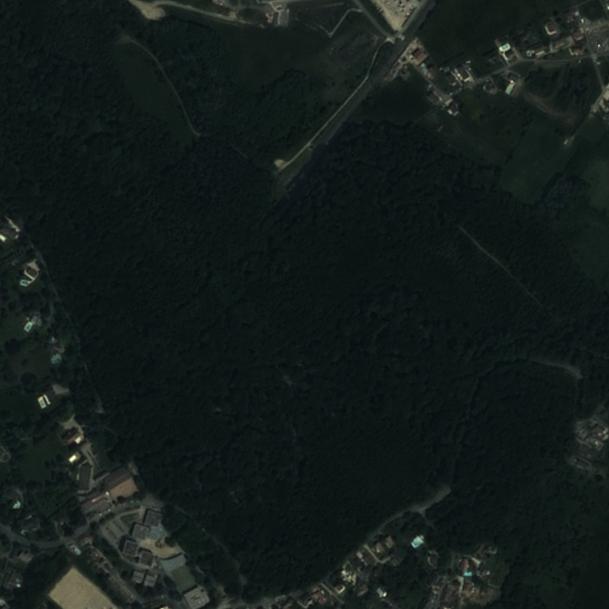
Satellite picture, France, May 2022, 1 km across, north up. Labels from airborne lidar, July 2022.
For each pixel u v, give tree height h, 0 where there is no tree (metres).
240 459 30
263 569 29
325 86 6
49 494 6
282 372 28
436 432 30
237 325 31
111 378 17
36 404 0
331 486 14
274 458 31
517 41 13
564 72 0
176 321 21
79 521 20
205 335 30
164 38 16
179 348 18
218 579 25
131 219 27
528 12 0
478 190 29
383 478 8
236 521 18
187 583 0
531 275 13
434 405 29
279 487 31
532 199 0
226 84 26
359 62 0
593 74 0
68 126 29
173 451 11
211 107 33
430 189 29
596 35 0
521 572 11
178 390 12
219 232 18
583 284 7
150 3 0
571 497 10
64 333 23
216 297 19
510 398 28
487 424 29
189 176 24
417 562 18
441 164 29
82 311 17
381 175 27
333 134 0
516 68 0
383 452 9
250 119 17
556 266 11
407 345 31
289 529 19
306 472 22
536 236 13
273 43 0
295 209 28
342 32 0
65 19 11
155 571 0
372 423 10
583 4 0
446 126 0
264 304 16
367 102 10
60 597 0
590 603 0
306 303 19
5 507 18
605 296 12
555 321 9
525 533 24
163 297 12
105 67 13
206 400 11
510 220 6
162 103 0
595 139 0
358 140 30
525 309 9
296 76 14
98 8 11
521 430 31
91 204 24
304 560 30
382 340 33
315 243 15
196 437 14
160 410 27
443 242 8
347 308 22
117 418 24
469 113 0
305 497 20
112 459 26
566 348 9
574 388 10
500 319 10
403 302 34
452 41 0
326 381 29
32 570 24
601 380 23
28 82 32
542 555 20
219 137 22
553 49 0
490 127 0
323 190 15
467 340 11
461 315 9
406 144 28
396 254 6
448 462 26
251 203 20
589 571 0
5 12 32
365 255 15
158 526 0
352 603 0
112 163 29
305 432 30
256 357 28
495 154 0
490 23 0
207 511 30
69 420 0
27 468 0
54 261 27
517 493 20
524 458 27
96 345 28
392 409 27
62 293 16
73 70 29
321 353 26
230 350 29
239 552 32
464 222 8
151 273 13
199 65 23
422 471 7
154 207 25
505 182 0
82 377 21
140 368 14
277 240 12
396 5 0
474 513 29
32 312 14
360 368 33
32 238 21
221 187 28
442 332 31
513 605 21
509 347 27
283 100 17
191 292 12
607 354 11
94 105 37
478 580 16
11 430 20
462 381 31
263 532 26
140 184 18
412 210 29
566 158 0
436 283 6
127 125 11
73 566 0
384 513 10
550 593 0
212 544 23
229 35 0
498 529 22
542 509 27
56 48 9
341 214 30
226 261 12
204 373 30
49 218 30
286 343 25
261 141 16
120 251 25
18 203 30
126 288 31
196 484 27
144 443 29
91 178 28
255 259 30
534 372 9
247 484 29
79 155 24
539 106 0
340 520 20
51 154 15
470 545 21
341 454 9
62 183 26
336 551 18
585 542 23
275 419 32
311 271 19
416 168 29
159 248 28
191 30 23
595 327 15
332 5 0
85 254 27
